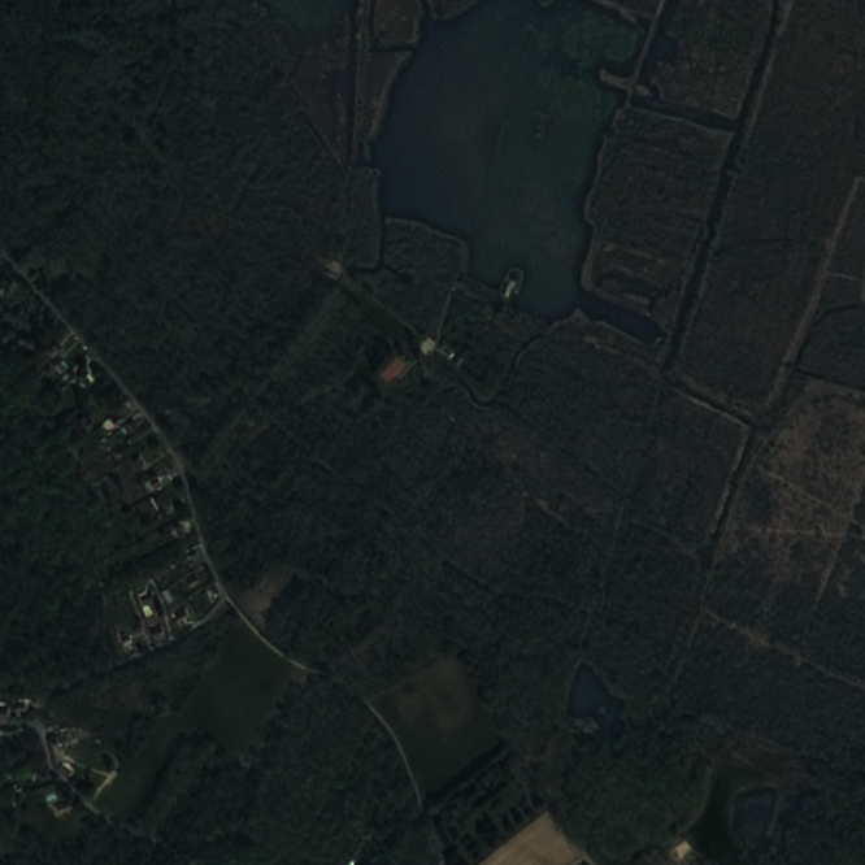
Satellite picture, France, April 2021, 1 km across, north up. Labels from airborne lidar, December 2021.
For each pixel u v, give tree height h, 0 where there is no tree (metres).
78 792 8
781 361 0
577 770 16
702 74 0
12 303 0
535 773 11
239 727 0
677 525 6
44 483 28
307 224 7
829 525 0
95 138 12
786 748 9
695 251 0
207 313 8
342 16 0
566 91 0
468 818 11
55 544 24
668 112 0
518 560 7
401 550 13
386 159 0
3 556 25
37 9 23
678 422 9
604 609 6
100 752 0
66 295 15
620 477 6
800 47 0
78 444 22
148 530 18
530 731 25
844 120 0
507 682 22
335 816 26
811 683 7
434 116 0
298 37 0
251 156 8
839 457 0
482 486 6
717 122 0
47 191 20
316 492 10
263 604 0
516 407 6
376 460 20
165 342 6
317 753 26
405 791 21
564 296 0
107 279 7
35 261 25
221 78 16
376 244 6
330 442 24
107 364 15
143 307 9
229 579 18
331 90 0
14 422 26
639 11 0
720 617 6
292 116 7
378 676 21
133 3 8
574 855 0
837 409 0
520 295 0
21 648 32
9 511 24
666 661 6
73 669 23
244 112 8
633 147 7
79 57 17
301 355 21
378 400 28
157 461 0
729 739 19
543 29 0
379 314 0
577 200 0
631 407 0
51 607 25
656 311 0
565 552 17
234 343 12
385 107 0
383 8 0
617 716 0
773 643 6
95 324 14
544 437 7
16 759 22
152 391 9
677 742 20
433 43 0
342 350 18
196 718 0
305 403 11
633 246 7
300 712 27
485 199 0
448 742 0
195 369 14
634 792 24
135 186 9
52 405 22
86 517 27
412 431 9
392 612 21
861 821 22
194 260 6
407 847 23
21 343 12
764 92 0
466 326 14
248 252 7
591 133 0
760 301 0
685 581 13
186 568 10
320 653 0
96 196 24
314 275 7
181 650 13
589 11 0
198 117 13
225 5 9
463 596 20
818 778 20
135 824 13
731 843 0
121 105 16
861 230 0
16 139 21
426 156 0
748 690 6
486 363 19
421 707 0
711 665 5
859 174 8
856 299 0
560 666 23
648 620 7
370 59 0
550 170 0
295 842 23
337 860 8
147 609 0
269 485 9
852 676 10
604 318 0
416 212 0
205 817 28
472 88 0
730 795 0
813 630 8
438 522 6
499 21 0
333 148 0
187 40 21
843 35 0
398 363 0
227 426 31
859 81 0
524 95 0
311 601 24
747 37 8
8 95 23
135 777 0
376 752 20
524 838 0
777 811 0
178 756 25
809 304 0
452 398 6
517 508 7
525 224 0
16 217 23
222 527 13
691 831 0
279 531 20
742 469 7
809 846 24
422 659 18
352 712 24
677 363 11
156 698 9
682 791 24
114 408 21
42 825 0
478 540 6
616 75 0
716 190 0
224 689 0
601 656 7
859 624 6
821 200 0
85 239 25
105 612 17
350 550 19
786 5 16
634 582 17
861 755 17
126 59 11
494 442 12
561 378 6
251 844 26
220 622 7
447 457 14
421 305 9
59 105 9
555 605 9
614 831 27
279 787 25
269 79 9
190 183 8
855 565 5
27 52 20
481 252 0
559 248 0
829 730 7
